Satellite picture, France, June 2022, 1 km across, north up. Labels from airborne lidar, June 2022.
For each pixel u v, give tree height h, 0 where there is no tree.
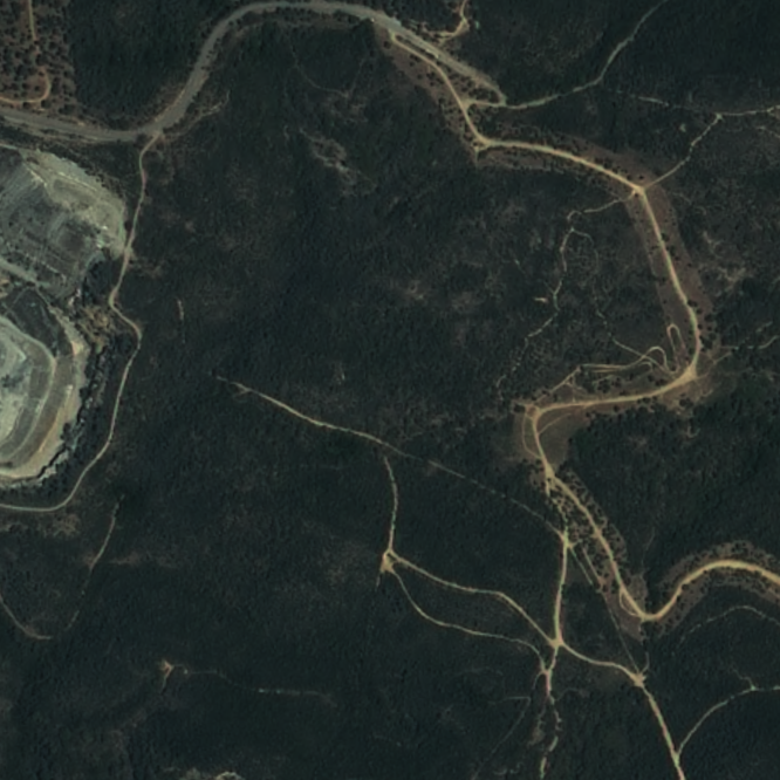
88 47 11
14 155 0
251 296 9
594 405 0
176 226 6
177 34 12
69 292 0
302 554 6
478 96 6
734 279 0
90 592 8
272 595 6
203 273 6
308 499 7
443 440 6
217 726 5
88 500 9
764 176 7
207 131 8
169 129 7
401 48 0
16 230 0
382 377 7
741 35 7
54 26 14
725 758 9
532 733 7
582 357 6
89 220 0
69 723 6
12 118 0
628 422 6
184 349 8
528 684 5
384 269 6
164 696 8
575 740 11
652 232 0
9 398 0
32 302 0
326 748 9
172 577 6
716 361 0
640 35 8
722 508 12
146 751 7
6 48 7
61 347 0
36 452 0
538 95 10
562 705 6
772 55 10
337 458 7
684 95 6
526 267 0
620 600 0
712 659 6
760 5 10
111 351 9
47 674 12
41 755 9
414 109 7
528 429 0
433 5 15
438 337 11
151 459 11
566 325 6
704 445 8
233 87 6
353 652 6
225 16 12
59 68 12
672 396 0
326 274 6
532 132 6
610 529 6
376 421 5
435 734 8
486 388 6
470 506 6
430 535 9
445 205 7
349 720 6
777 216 7
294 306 11
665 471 7
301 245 13
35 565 0
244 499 6
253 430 7
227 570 6
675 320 0
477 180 7
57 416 0
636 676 0
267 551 8
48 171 0
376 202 10
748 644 8
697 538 8
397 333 12
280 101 6
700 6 6
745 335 7
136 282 7
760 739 6
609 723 8
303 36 12
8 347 0
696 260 0
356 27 8
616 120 7
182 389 13
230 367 12
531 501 7
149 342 9
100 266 10
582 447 9
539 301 7
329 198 8
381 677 7
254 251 7
